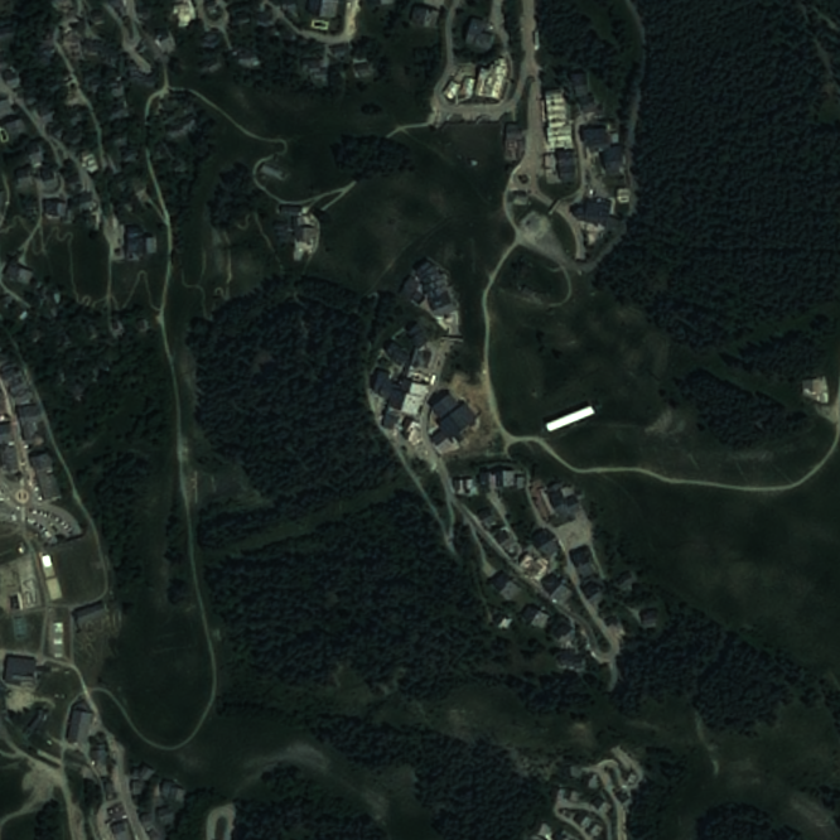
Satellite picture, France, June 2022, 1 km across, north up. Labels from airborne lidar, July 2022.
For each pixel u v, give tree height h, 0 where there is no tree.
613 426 0
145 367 19
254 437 14
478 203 0
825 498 0
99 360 18
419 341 0
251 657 11
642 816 9
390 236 0
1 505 0
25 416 0
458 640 27
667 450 0
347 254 0
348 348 25
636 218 15
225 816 0
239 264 0
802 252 27
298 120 0
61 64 14
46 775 0
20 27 16
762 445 10
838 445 0
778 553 0
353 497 12
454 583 23
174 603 15
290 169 0
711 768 0
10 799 0
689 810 0
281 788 12
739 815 18
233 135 0
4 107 0
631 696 19
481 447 0
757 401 27
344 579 33
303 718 7
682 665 24
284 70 22
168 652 0
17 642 0
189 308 0
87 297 0
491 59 15
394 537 7
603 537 8
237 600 15
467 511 0
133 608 9
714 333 29
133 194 11
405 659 11
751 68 21
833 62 9
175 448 0
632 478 0
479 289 0
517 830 20
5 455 0
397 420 0
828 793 19
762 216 20
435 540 34
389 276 0
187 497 0
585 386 0
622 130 8
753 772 0
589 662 12
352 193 0
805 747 0
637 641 12
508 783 17
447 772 23
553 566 0
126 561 12
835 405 0
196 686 0
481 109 0
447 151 0
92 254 0
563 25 22
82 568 0
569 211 0
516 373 0
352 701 0
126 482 21
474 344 0
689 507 0
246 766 0
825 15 7
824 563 0
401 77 0
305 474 24
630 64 0
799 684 23
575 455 0
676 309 29
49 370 10
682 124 26
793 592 0
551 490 0
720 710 18
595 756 8
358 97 0
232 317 18
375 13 7
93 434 11
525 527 9
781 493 0
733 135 26
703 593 0
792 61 27
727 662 20
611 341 0
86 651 0
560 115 0
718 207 15
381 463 22
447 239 0
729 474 0
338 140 0
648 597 19
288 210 0
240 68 12
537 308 0
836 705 13
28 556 0
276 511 11
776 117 30
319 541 15
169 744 0
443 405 0
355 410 29
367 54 13
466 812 26
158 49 0
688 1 20
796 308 22
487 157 0
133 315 12
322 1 0
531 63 0
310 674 19
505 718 0
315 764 0
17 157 13
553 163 0
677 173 18
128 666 0
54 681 0
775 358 20
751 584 0
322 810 16
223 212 17
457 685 8
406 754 12
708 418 20
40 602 0
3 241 0
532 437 0
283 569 23
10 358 13
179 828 15
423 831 0
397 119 0
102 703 0
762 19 22
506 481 0
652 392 0
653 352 0
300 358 33
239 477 0
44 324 13
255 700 6
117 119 8
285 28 15
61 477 10
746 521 0
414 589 32
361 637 31
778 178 23
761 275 25
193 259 0
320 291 19
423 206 0
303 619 8
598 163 0
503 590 0
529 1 0
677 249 13
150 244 0
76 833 0
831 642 0
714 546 0
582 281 0
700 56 19
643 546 0
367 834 20
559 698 31
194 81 0
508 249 0
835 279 22
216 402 26
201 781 0
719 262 21
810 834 0
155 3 8
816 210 11
